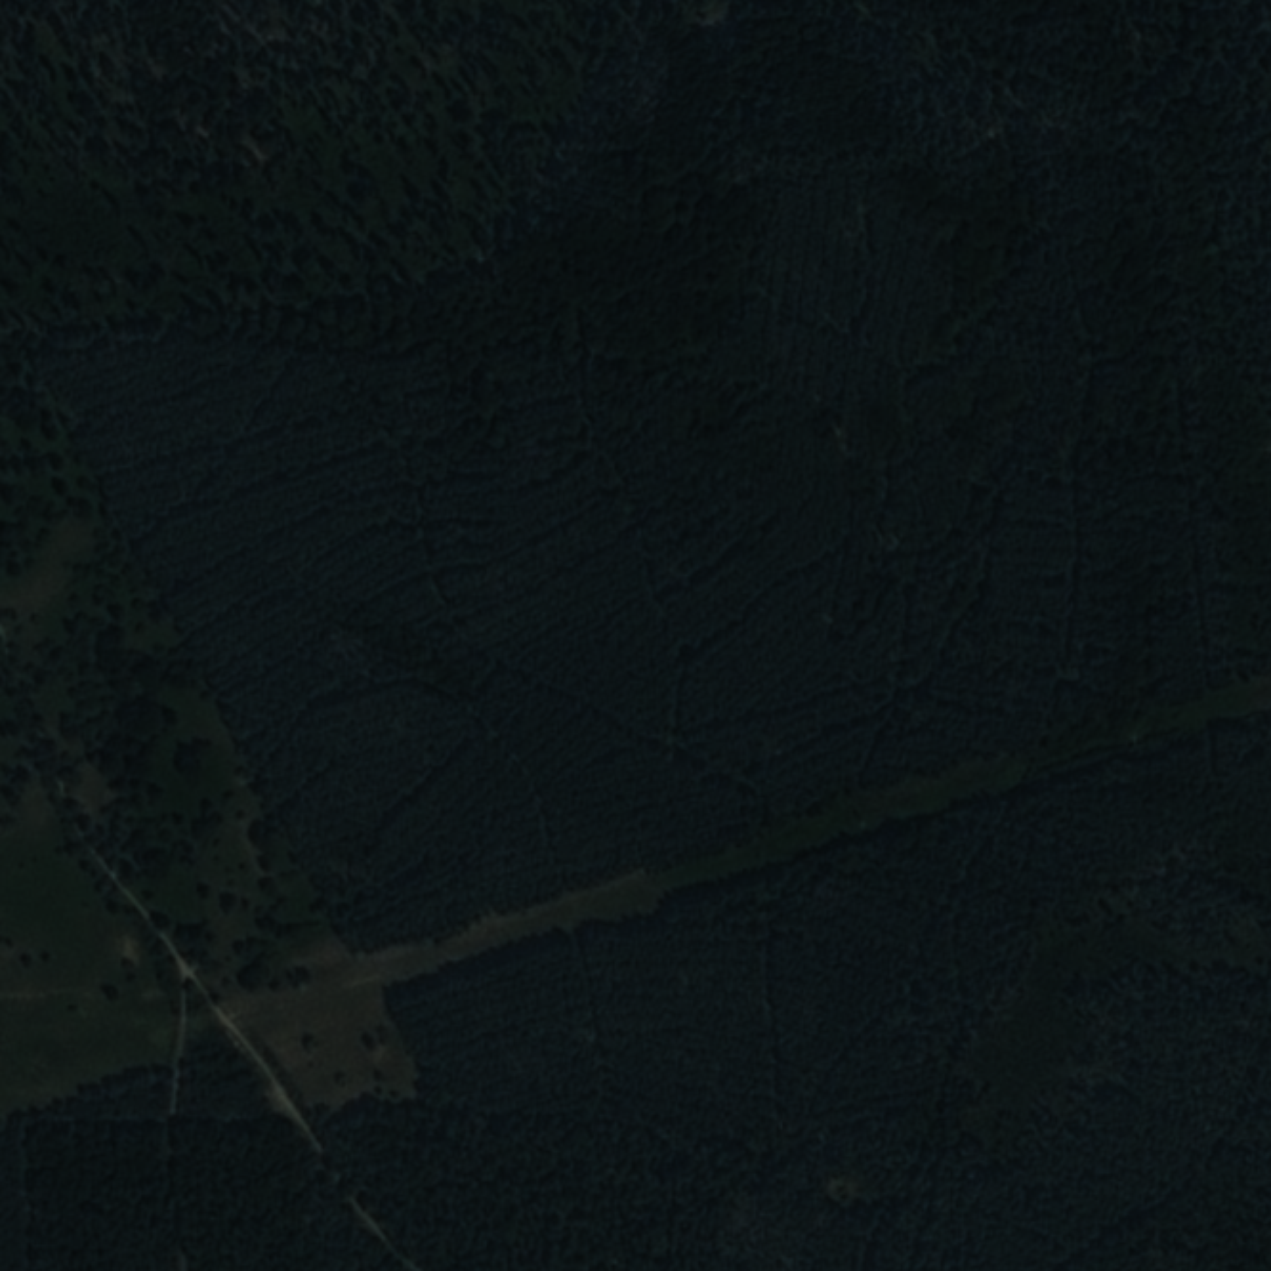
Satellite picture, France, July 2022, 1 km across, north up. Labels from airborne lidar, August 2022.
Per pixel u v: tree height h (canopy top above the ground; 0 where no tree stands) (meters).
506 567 22
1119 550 19
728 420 15
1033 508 21
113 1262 21
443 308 21
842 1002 20
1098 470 20
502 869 14
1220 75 26
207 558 22
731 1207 22
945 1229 23
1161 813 17
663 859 19
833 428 20
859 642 19
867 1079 17
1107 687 16
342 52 14
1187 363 18
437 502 18
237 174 21
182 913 0
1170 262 16
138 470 18
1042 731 13
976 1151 23
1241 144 20
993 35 20
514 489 20
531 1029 19
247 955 6
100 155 19
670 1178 22
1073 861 18
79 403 19
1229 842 14
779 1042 16
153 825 6
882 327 21
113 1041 0
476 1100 24
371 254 23
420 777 12
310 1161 17
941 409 22
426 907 18
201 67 17
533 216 26
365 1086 0
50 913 0
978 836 19
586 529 24
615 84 25
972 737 22
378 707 18
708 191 20
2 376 14
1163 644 18
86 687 6
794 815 12
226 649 17
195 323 15
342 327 17
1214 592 15
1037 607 19
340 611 16
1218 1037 21
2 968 0
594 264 24
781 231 20
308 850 16
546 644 25
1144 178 17
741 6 20
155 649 6
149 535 19
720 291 8
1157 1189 24
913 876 22
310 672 21
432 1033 23
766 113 24
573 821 19
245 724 19
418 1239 22
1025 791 15
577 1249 13
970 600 6
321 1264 21
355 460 18
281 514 19
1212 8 11
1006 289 20
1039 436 18
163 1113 10
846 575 21
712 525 22
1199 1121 19
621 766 23
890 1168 23
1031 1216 22
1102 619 21
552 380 24
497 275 20
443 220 18
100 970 0
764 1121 19
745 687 23
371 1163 17
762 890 12
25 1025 0
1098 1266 18
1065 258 17
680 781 24
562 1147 23
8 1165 9
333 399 20
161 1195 18
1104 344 20
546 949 24
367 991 0
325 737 16
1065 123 22
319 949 0
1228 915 20
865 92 21
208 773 0
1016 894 17
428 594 20
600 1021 19
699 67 27
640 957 20
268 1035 0
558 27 28
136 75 19
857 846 15
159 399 20
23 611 0
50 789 8
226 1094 10
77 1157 19
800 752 24
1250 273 12
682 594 22
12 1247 13
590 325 21
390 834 18
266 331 14
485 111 0
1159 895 19
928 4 20
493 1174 14
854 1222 23
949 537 18
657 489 25
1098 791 17
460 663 19
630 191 15
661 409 19
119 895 9
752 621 22
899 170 17
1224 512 19
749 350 17
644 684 21
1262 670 17
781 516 24
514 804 23
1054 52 24
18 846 0
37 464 19
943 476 21
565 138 22
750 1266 24
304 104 8
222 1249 17
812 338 22
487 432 20
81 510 13
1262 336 17
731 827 22
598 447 17
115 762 13
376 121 23
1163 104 7
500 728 21
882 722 6
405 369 18
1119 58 19
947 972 17
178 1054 0
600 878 19
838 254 22
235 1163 20
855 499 22
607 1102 18
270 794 19
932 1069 20
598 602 22
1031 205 20
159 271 21
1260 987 18
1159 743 6
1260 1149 18
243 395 19
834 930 21
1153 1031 24
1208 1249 17
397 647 16
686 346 8
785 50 24
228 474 23
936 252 14
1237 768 14
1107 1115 23
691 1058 19
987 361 22
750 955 19
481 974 22
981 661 16
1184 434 18
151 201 17
